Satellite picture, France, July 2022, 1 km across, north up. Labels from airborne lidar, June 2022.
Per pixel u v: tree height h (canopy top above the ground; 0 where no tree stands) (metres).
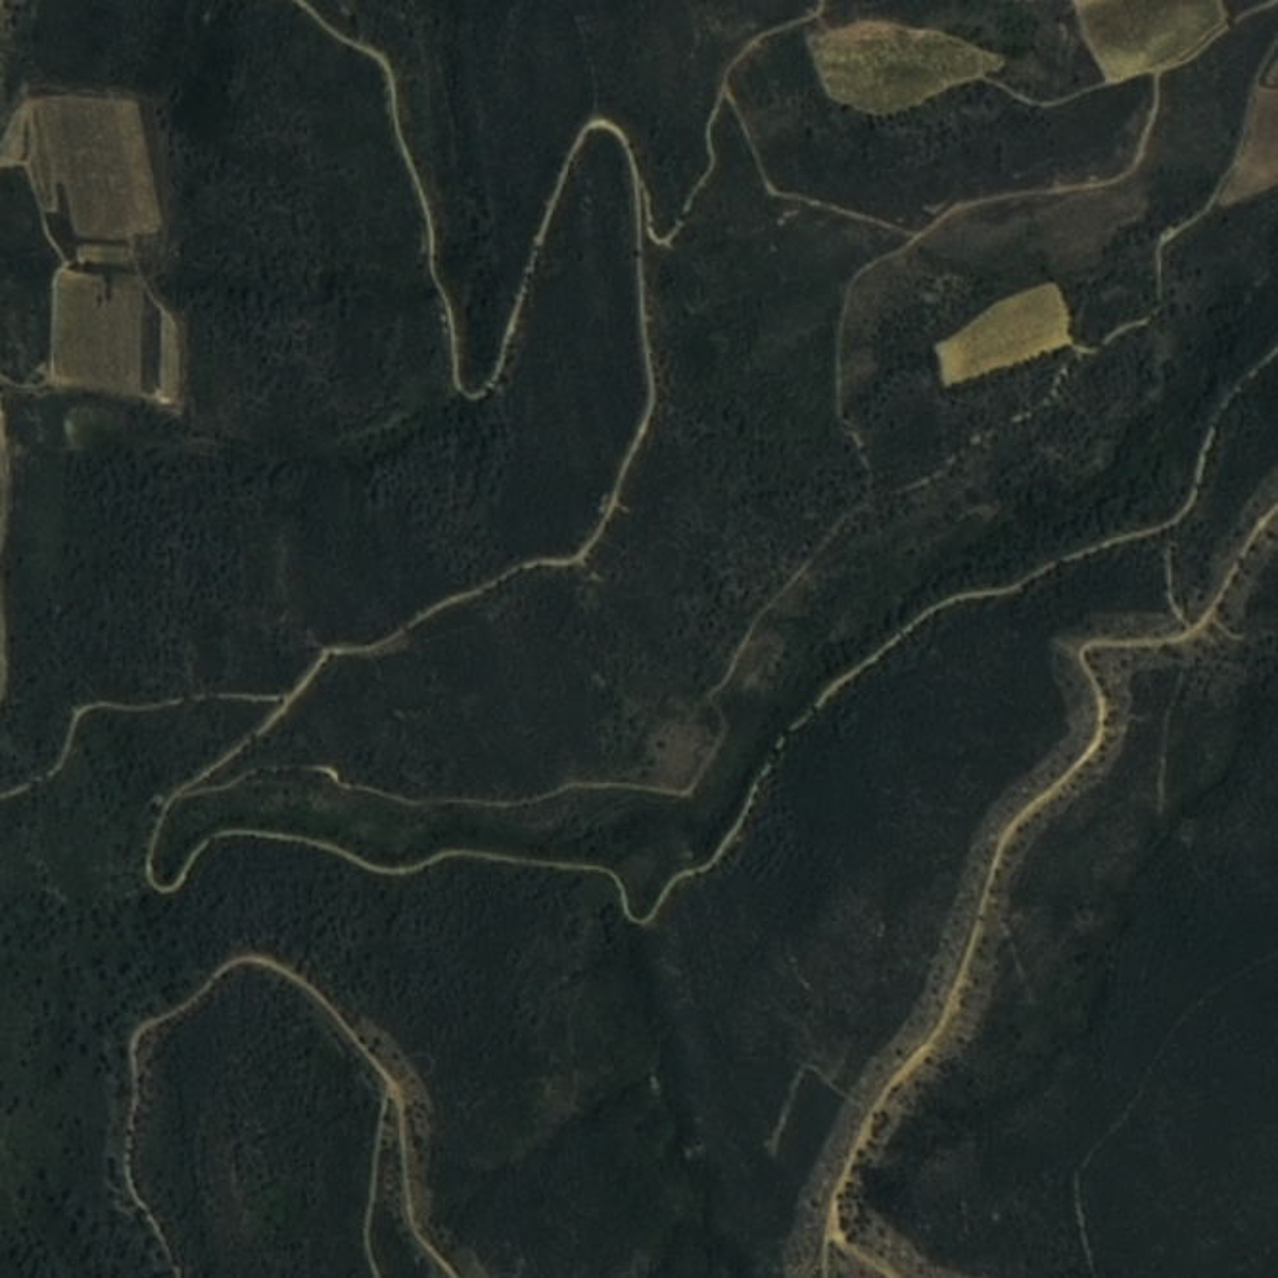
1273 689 15
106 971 13
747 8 0
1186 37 0
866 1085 0
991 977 0
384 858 9
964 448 10
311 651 8
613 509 0
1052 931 0
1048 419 12
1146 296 9
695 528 9
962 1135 6
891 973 6
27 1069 14
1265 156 0
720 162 0
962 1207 6
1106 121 0
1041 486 12
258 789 6
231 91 12
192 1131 8
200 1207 7
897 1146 6
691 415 8
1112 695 6
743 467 13
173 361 0
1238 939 5
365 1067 10
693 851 6
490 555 9
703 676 12
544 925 7
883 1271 0
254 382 7
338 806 0
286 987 9
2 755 10
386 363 10
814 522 5
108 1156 0
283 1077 10
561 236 10
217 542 11
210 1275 8
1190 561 7
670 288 11
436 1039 7
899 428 13
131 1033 7
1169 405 6
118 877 8
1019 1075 6
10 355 0
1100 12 0
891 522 14
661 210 6
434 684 9
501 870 7
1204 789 9
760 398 6
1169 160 0
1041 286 0
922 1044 0
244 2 8
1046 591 7
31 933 11
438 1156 11
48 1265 12
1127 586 6
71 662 10
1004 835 0
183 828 6
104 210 0
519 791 6
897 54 0
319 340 10
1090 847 0
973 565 12
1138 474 6
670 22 0
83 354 0
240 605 10
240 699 0
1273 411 5
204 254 8
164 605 7
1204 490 12
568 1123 5
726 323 6
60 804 10
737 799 7
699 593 12
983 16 0
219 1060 8
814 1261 0
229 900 13
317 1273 10
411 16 8
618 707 10
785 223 0
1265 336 6
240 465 6
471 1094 6
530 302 8
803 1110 0
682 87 0
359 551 6
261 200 10
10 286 0
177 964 10
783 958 0
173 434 12
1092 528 13
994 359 0
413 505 9
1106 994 7
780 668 7
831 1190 0
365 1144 6
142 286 0
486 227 13
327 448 6
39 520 0
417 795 8
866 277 0
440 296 9
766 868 7
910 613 13
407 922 8
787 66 6
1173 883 6
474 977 12
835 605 8
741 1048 0
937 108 6
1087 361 8
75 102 0
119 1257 9
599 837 14
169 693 7
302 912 10
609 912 11
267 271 13
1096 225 0
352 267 11
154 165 0
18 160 0
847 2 0
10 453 0
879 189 0
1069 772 0
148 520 8
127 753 7
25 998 10
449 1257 6
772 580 12
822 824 6
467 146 6
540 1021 10
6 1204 0
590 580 0
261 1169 9
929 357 7
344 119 0
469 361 6
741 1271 6
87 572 6
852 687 9
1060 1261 7
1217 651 8
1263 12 0
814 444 11
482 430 12
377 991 15
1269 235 6
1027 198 0
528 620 9
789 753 6
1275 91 0
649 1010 6
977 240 0
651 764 7
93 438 0
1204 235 0
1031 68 0
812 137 12
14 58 0
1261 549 11
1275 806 6
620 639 8
